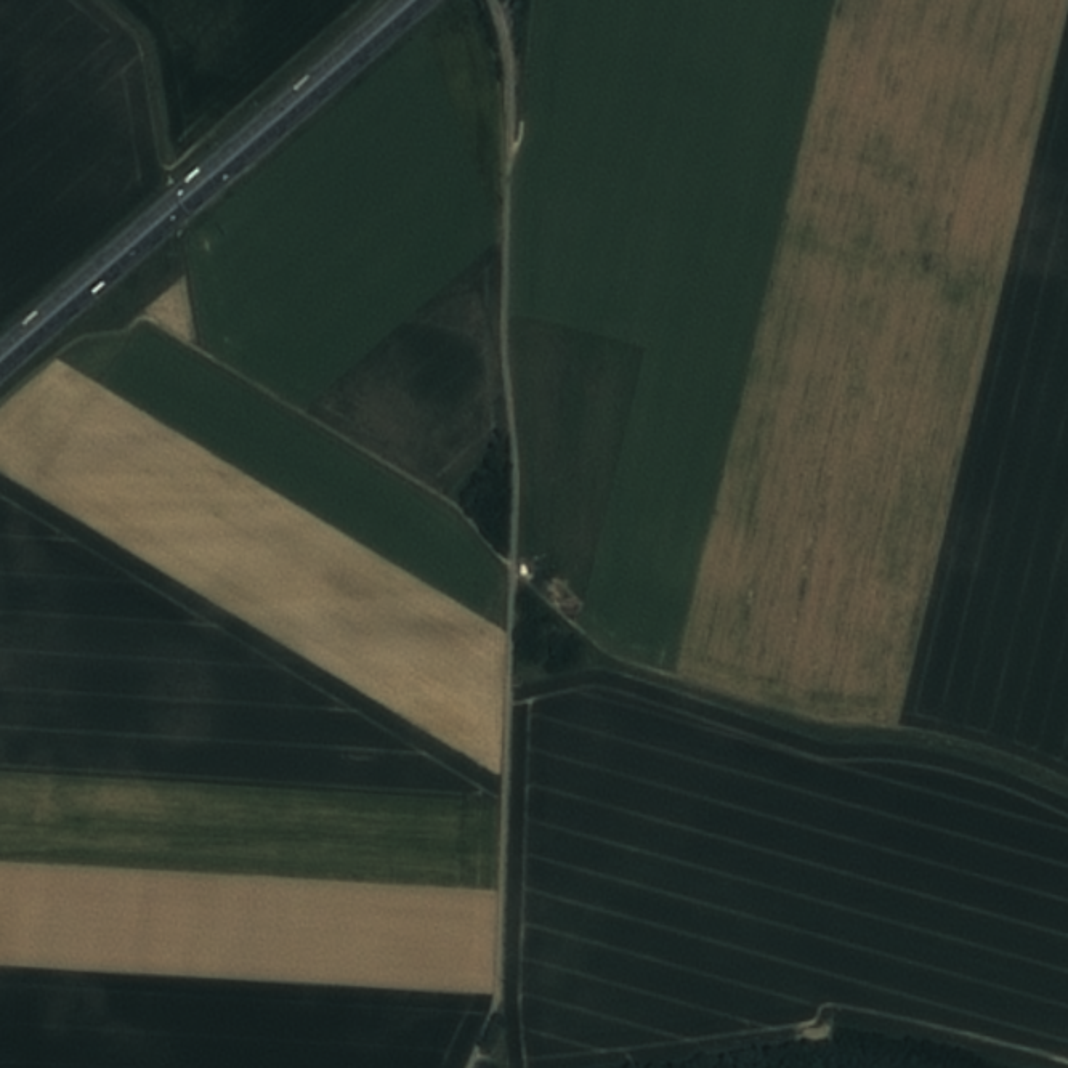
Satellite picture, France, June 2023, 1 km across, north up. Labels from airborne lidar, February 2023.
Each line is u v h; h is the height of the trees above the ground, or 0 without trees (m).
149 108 0
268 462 0
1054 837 0
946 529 0
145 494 0
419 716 0
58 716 0
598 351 0
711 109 0
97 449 0
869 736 0
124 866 0
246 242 0
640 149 0
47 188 0
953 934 0
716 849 0
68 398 0
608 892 0
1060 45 0
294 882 0
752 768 0
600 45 0
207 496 0
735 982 0
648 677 0
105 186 0
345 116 0
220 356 0
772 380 0
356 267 0
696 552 0
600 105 0
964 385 0
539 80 0
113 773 0
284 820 0
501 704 0
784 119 0
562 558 0
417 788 0
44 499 0
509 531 9
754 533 0
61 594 0
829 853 0
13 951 0
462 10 0
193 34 0
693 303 0
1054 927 0
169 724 0
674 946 0
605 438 0
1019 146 0
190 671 0
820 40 0
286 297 0
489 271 0
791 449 0
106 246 0
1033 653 0
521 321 0
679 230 0
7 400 0
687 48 0
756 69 0
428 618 0
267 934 0
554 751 0
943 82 0
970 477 0
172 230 0
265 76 0
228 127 0
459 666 0
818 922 0
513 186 0
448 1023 0
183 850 0
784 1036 0
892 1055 13
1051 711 0
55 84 0
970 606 0
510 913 0
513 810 0
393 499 0
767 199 0
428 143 0
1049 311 0
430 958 0
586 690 0
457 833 0
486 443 0
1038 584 0
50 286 0
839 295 0
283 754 0
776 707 0
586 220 0
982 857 0
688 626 0
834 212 0
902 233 0
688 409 0
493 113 0
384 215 0
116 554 0
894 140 0
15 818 0
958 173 0
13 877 0
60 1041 0
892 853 0
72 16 0
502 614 0
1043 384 0
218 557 0
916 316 0
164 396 0
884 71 0
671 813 0
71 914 0
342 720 0
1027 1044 0
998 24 0
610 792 0
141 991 0
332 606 0
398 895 0
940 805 0
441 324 0
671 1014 0
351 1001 0
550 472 0
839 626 0
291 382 0
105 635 0
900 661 0
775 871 0
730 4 0
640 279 0
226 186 0
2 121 0
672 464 0
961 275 0
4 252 0
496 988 0
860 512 0
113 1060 0
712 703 0
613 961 0
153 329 0
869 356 0
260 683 0
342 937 0
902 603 0
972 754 0
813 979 0
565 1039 0
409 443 0
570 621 0
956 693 0
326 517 0
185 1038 0
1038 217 0
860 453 0
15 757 0
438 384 0
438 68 0
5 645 0
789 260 0
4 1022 0
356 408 0
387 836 0
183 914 0
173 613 0
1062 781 0
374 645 0
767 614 0
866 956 0
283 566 0
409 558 0
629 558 0
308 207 0
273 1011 0
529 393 0
